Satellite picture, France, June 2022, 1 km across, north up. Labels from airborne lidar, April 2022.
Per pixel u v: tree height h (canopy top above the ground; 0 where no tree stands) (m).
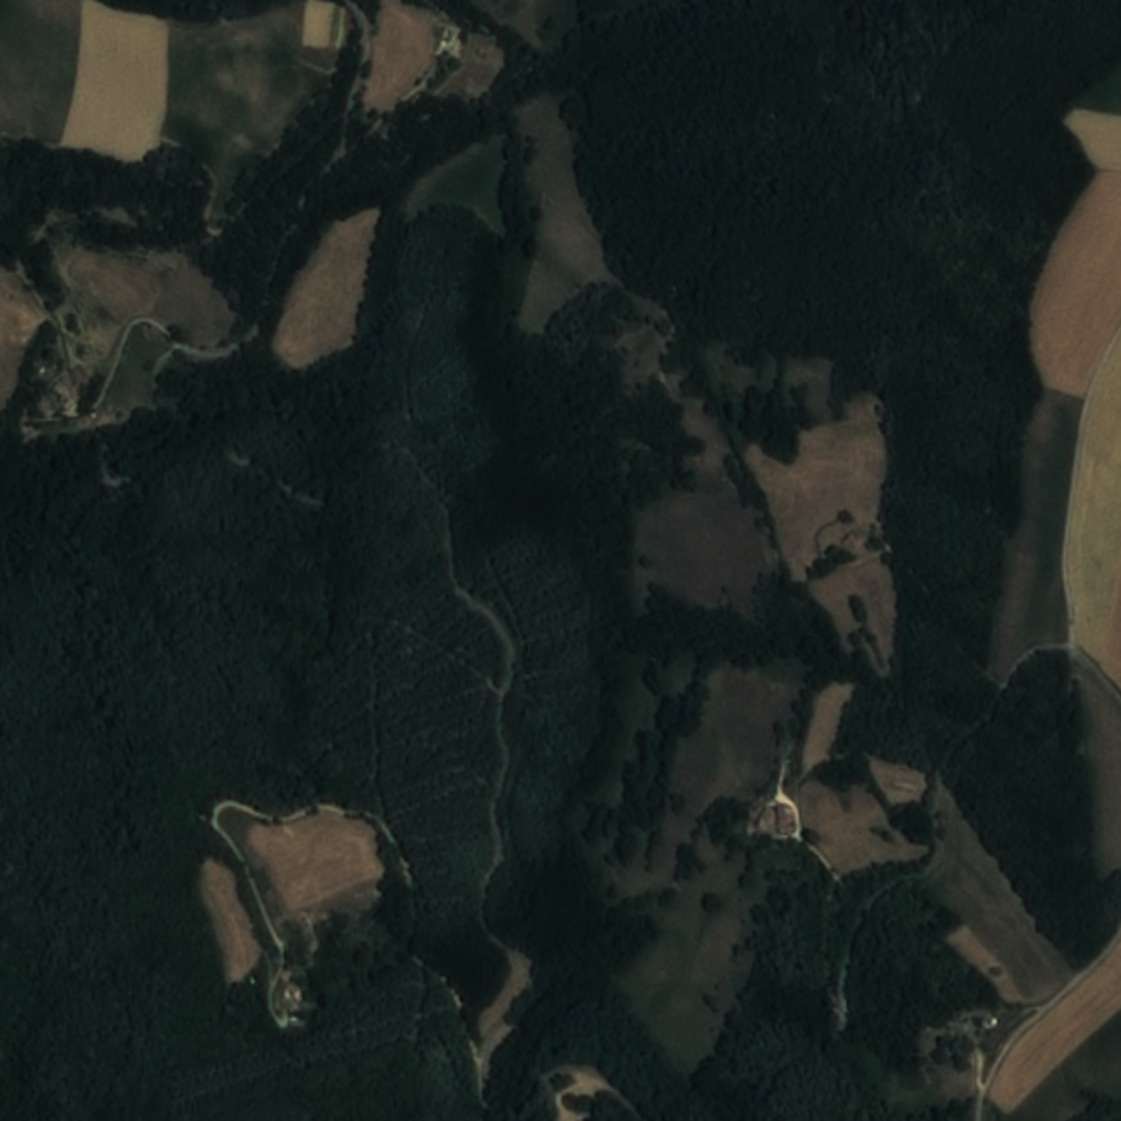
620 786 0
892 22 22
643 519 0
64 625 19
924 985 14
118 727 23
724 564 0
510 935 17
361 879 0
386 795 14
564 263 0
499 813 9
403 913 16
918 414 11
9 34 0
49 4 0
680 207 17
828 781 11
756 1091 19
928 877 0
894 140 18
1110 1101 14
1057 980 0
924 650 11
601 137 8
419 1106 16
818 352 9
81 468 26
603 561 18
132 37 0
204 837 10
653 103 12
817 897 10
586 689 8
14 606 20
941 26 19
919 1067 12
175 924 15
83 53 0
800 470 0
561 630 10
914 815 14
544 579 13
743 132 13
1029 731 11
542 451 16
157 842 16
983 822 10
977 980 13
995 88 7
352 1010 14
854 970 12
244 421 20
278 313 15
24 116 0
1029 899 11
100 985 11
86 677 19
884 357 11
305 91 0
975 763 12
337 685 12
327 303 0
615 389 15
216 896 0
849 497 0
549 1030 24
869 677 15
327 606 16
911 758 11
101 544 17
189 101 0
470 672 13
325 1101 17
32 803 11
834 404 7
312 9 0
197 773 11
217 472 18
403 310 8
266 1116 15
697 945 0
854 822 0
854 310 9
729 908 0
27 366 9
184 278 0
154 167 13
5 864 14
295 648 16
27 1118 19
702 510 0
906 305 10
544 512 20
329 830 0
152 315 0
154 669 20
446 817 15
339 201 9
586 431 12
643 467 12
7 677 20
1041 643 0
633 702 0
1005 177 7
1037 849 13
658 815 14
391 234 16
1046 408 0
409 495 18
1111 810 0
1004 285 12
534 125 0
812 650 21
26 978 10
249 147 0
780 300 10
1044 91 7
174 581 17
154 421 19
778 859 0
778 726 8
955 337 10
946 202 21
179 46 0
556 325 9
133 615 21
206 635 17
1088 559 0
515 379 20
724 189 13
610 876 0
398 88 0
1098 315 0
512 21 0
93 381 6
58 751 22
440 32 0
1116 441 0
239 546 20
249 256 14
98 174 10
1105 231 0
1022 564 0
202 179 10
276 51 0
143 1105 12
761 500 14
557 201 0
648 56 11
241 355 11
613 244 20
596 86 12
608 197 15
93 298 0
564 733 13
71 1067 17
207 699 15
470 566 13
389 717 12
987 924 0
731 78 10
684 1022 0
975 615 10
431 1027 11
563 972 15
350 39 7
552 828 17
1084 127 0
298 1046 15
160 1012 14
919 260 8
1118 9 9
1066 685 12
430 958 17
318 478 23
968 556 13
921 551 11
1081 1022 0
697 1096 20
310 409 20
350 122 9
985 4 19
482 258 15
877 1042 12
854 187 17
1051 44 5
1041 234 14
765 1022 12
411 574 19
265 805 13
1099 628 0
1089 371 0
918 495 10
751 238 16
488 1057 0
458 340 10
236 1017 16
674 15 15
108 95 0
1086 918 12
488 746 11
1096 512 0
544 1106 20
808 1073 19
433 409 13
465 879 13
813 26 22
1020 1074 0
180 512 15
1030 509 0
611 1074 29
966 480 10
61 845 18
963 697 15
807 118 15
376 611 15
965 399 12
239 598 19
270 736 17
